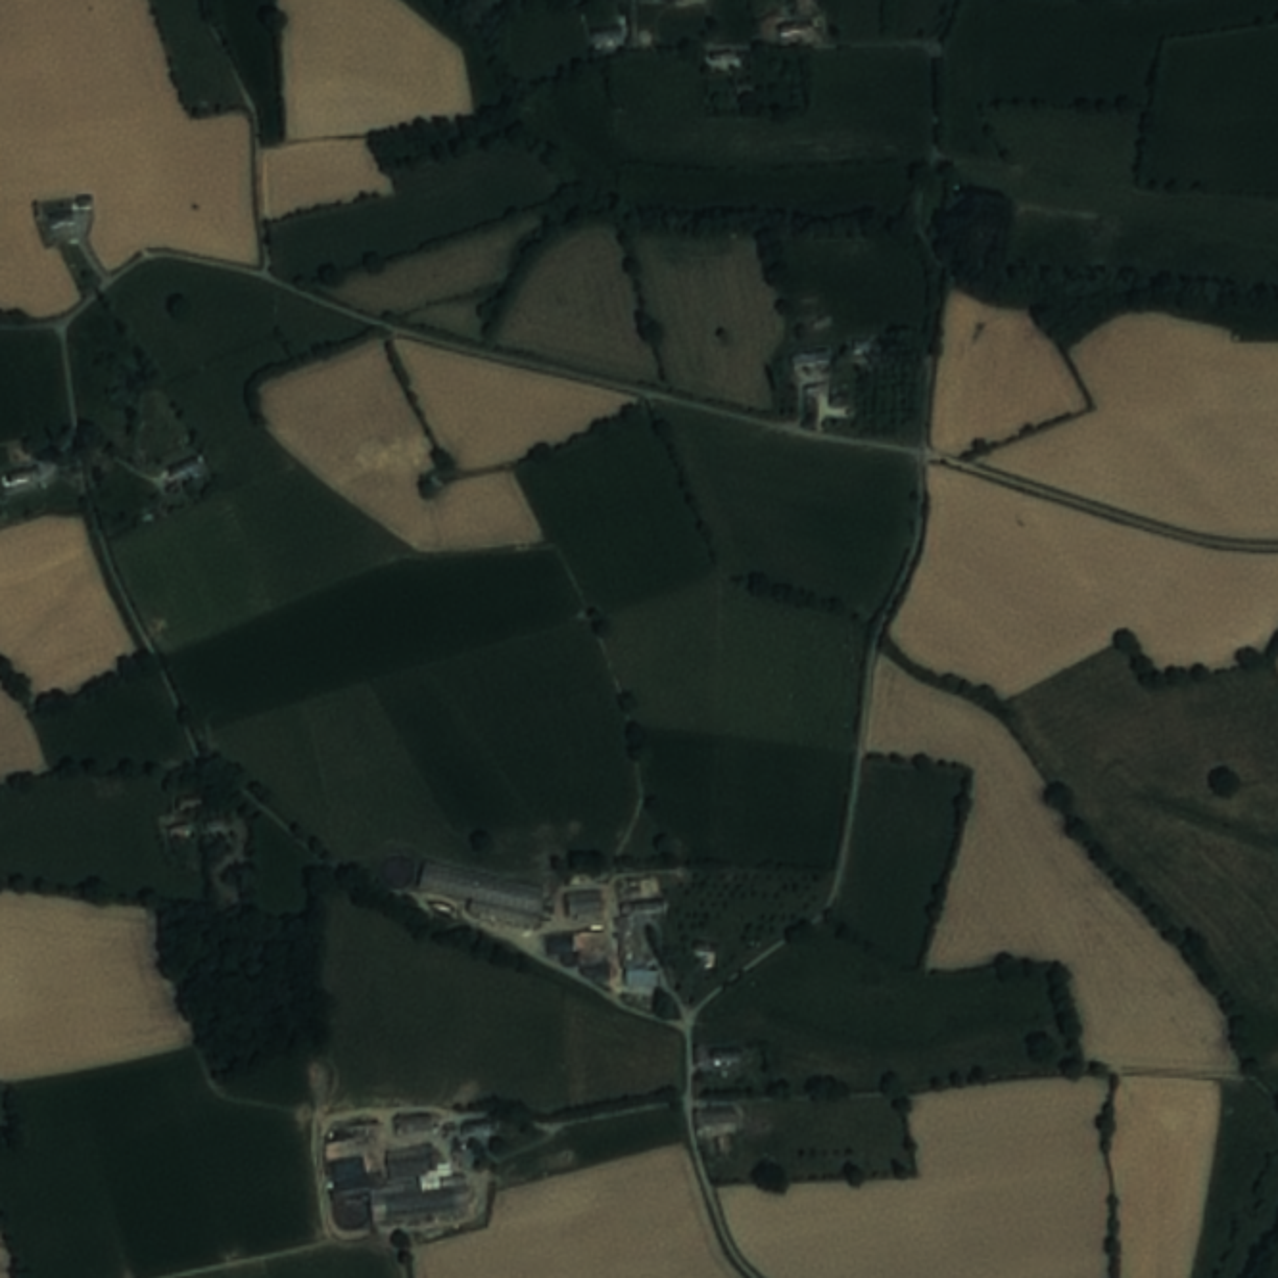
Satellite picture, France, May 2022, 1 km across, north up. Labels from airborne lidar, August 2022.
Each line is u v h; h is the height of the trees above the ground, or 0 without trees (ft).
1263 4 0
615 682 0
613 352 0
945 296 49
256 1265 0
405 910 38
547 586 0
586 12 41
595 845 0
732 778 0
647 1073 0
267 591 0
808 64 24
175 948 57
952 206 23
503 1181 0
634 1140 0
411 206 0
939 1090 35
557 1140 0
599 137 0
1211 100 0
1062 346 23
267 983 77
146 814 0
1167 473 0
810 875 20
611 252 0
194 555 0
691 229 38
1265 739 0
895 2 26
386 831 0
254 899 35
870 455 0
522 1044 0
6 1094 44
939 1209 0
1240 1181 0
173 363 0
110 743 0
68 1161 0
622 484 0
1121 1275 24
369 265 36
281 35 29
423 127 53
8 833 0
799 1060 0
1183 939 49
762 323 0
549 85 38
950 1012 0
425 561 0
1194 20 0
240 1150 0
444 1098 0
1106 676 0
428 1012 0
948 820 0
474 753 0
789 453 0
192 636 0
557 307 0
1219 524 0
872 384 38
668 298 0
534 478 0
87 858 0
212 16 50
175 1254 0
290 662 0
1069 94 0
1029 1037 0
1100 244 0
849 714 0
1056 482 0
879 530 0
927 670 19
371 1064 0
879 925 0
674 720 0
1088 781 0
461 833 0
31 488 0
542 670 0
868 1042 0
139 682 45
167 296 0
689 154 0
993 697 33
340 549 0
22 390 0
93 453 51
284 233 0
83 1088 0
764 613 0
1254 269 0
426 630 0
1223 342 0
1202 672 47
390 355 21
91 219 0
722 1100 33
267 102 0
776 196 0
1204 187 29
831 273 0
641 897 0
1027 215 0
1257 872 0
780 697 0
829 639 0
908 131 0
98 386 0
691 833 0
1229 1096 0
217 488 23
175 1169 0
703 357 0
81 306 0
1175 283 60
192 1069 0
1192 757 0
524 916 0
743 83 19
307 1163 0
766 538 0
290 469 0
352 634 0
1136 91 0
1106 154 0
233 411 0
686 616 0
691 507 32
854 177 0
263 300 0
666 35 0
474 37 23
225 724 0
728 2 0
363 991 0
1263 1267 57
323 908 59
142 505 0
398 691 0
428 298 0
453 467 34
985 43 0
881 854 0
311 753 0
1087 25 0
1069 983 40
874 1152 0
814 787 0
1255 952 0
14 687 54
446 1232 0
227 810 26
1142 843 0
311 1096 0
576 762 0
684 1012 0
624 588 0
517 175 0
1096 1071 41
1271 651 27
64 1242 0
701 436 0
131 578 0
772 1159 0
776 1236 0
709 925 22
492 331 20
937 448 0
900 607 22
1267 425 0
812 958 0
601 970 0
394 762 0
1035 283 54
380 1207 0
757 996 0
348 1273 0
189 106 21
